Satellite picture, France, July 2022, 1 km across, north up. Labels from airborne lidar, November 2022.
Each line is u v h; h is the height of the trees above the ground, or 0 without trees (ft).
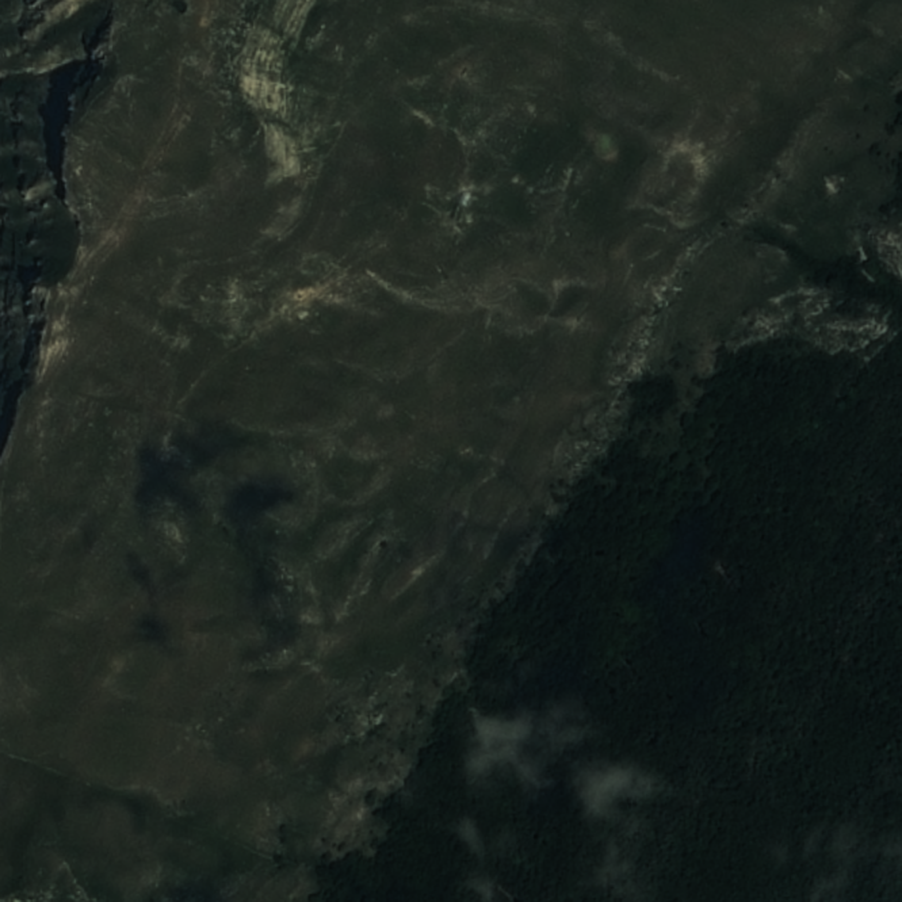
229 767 0
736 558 76
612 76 0
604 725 64
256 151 0
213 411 0
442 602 0
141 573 0
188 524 0
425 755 47
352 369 0
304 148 0
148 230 0
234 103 0
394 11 0
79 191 0
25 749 0
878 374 49
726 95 0
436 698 0
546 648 59
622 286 0
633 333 0
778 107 0
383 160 0
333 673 0
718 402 54
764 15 0
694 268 0
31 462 0
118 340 0
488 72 0
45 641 0
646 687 73
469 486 0
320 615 0
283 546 0
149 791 0
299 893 0
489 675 33
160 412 0
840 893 35
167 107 0
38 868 0
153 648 0
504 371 0
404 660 0
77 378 0
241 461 0
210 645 0
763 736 65
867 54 0
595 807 70
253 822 0
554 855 74
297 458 0
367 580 0
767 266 0
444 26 0
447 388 0
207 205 0
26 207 0
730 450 43
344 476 0
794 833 43
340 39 0
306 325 0
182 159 0
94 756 0
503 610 29
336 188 0
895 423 46
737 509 64
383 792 0
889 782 30
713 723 59
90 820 0
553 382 0
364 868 43
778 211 0
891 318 20
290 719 0
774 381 41
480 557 0
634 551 40
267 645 0
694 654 73
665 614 72
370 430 0
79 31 0
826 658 69
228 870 0
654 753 79
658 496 35
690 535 80
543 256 0
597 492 33
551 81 0
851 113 0
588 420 0
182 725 0
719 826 47
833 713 41
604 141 0
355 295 0
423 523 0
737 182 0
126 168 0
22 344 0
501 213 0
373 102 0
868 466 38
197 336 0
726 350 19
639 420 25
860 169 0
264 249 0
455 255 0
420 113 0
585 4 0
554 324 0
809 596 61
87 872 0
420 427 0
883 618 33
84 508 0
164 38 0
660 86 0
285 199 0
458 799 68
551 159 0
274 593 0
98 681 0
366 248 0
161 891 0
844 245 0
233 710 0
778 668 56
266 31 0
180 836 0
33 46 0
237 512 0
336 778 0
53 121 0
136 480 0
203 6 0
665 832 64
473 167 0
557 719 66
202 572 0
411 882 53
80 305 0
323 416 0
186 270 0
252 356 0
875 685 53
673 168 0
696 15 0
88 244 0
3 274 0
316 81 0
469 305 0
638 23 0
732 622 88
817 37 0
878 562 33
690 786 69
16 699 0
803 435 45
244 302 0
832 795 32
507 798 77
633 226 0
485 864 49
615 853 68
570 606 66
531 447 0
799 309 0
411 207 0
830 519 36
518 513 0
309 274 0
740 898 36
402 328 0
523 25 0
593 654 63
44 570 0
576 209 0
